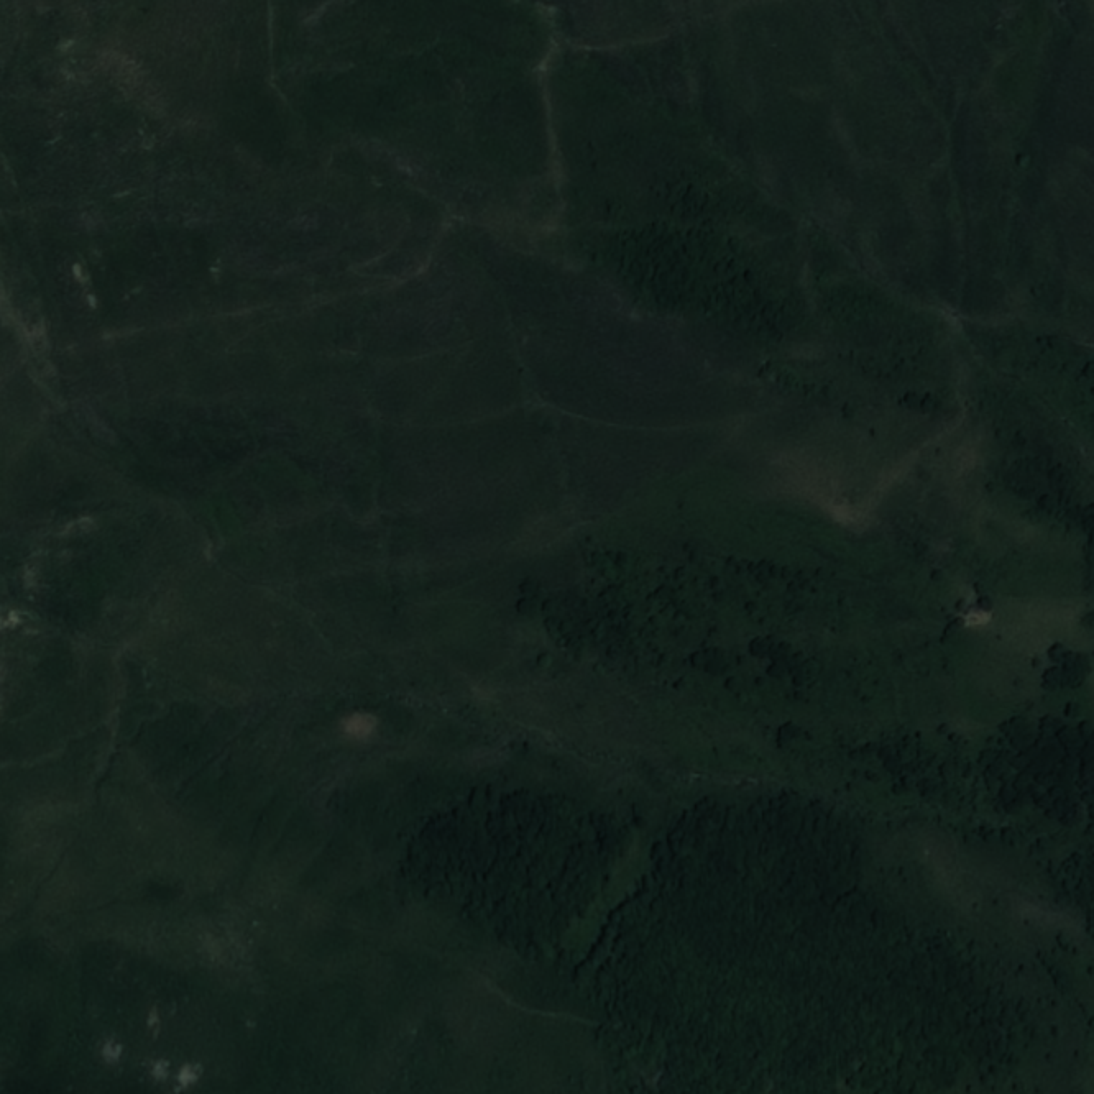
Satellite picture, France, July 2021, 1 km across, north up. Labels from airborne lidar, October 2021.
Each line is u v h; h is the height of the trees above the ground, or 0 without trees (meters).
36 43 0
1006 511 0
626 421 0
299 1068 0
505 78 0
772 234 0
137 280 0
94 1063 0
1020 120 0
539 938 20
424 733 0
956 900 0
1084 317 0
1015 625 0
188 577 0
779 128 0
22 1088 0
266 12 0
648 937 18
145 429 0
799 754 7
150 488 0
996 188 0
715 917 21
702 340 0
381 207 0
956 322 0
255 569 0
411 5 0
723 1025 21
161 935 0
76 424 0
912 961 19
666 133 0
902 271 0
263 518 0
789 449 0
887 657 0
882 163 0
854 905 17
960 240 0
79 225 0
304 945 0
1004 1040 9
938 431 0
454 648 0
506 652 0
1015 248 0
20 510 0
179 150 0
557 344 0
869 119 0
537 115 0
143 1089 0
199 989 0
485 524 0
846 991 23
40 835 0
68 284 0
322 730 0
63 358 0
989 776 17
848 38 0
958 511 0
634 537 0
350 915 0
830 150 0
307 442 0
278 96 0
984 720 0
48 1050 0
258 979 0
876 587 0
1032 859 7
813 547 0
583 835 10
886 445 0
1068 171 0
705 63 0
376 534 0
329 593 0
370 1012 0
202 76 0
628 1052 9
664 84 0
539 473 0
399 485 0
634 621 17
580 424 0
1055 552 0
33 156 0
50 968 0
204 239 0
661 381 0
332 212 0
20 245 0
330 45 0
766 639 6
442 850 13
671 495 0
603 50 0
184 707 0
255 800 0
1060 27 0
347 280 0
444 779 0
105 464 0
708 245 16
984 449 0
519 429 0
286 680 0
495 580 0
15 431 0
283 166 0
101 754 0
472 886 11
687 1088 13
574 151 0
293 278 0
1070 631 0
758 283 14
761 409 0
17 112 0
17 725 0
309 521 0
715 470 0
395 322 0
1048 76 0
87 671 0
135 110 0
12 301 0
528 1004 0
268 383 0
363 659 0
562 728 0
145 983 0
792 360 0
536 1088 0
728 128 0
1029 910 0
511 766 0
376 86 0
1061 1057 0
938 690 0
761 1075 13
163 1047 0
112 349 0
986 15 0
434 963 0
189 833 0
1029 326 0
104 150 0
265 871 0
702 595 7
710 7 0
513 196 0
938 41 0
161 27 0
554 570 0
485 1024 0
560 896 26
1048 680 15
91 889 0
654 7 0
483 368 0
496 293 0
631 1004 20
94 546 0
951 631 14
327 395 0
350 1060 0
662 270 12
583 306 0
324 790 0
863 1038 19
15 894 0
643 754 0
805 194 0
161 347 0
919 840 0
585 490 0
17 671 0
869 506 0
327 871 0
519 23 0
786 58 0
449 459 0
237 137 0
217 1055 0
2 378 0
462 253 0
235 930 0
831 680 0
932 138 0
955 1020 18
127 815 0
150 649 0
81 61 0
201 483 0
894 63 0
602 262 11
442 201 0
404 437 0
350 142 0
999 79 0
